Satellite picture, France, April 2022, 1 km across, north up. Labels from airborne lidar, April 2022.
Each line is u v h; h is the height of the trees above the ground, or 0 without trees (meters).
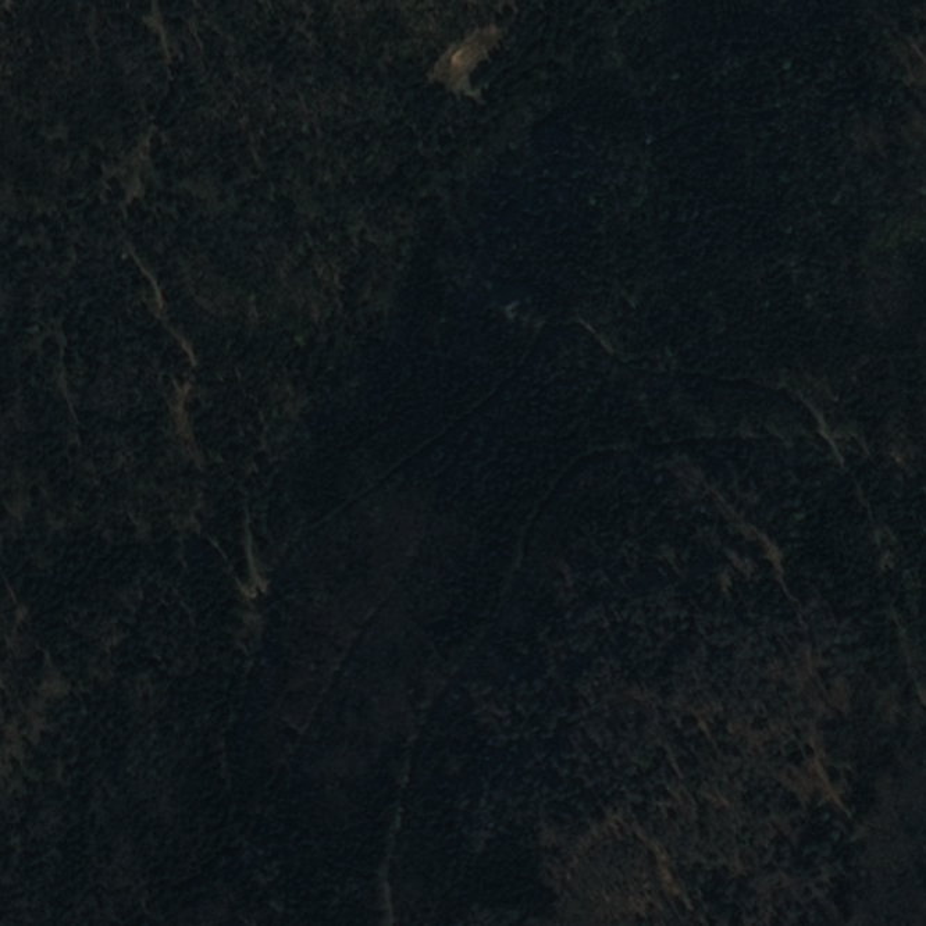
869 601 23
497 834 12
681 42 25
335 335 9
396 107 23
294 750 12
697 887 27
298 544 14
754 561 23
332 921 18
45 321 13
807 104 26
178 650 32
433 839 12
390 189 32
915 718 23
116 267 24
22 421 27
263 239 36
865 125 19
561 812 16
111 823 24
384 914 18
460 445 19
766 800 18
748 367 25
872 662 18
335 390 26
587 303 22
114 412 24
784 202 23
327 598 14
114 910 27
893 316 22
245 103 37
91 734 30
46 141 21
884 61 20
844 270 25
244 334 33
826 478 24
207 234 31
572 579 28
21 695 26
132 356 31
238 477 28
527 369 14
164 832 27
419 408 26
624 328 28
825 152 27
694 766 32
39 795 24
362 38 25
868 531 25
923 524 33
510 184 22
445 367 28
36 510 29
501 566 25
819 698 38
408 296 28
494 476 23
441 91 28
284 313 30
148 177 16
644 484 20
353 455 24
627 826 14
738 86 27
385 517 22
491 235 15
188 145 34
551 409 22
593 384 25
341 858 19
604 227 18
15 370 29
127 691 34
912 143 17
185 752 26
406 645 16
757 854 8
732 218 21
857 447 19
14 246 24
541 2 29
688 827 27
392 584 19
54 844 30
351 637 13
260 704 22
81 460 23
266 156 30
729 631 33
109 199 25
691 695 31
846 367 23
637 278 27
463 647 22
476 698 13
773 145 17
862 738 19
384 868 16
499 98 34
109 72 29
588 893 24
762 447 14
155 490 30
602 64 23
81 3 32
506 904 11
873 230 28
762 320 21
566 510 17
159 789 29
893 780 18
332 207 25
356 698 12
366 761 14
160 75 22
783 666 35
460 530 20
